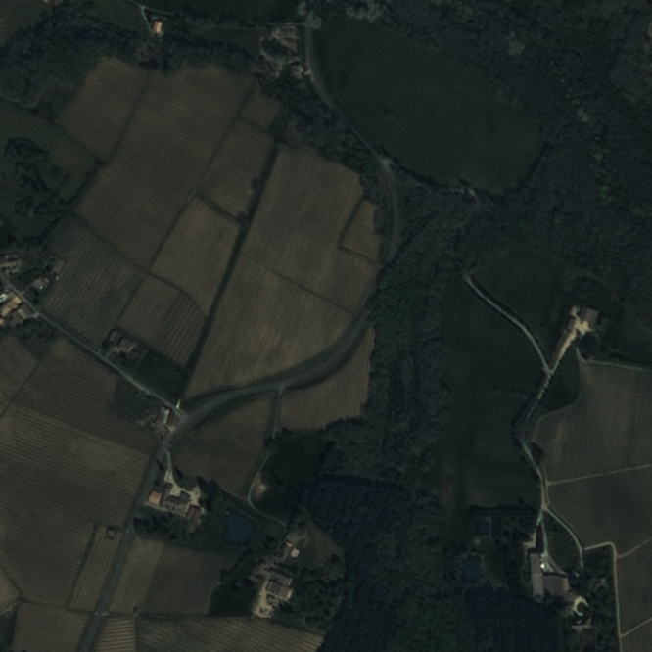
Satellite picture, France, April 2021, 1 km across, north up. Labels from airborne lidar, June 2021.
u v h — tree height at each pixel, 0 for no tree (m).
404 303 27
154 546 0
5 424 0
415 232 8
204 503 9
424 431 19
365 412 12
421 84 0
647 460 0
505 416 0
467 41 22
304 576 8
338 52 0
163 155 0
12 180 0
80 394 0
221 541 0
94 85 0
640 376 0
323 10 7
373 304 13
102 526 0
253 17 0
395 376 14
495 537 9
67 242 0
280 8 0
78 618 0
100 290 0
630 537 0
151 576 0
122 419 0
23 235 0
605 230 20
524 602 17
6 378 0
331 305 0
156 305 0
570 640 15
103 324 0
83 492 0
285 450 0
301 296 0
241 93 0
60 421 0
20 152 14
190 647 0
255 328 0
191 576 0
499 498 0
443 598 18
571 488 0
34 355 0
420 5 21
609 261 10
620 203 6
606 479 0
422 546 24
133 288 0
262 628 0
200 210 0
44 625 0
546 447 0
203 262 0
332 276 0
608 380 0
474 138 0
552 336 0
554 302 0
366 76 0
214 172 0
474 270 14
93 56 21
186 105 0
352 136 25
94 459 0
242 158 0
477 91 0
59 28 19
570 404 0
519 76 24
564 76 23
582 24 18
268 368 0
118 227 0
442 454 0
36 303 9
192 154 0
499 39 25
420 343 18
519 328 8
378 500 18
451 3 17
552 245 21
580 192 22
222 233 0
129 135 0
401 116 0
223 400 0
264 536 0
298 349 0
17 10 0
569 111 24
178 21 8
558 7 9
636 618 0
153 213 0
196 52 20
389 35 0
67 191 0
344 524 15
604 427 0
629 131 23
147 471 0
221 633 0
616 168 24
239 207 0
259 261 0
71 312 0
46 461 0
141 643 0
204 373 0
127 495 0
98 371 0
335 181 0
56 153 0
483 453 0
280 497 0
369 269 0
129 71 0
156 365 0
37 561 0
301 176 0
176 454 0
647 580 0
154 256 0
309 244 0
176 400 0
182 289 0
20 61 14
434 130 0
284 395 0
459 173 0
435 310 25
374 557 15
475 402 0
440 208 21
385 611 18
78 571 0
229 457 0
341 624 15
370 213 0
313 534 0
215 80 0
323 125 22
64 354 0
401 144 0
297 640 0
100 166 15
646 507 0
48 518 0
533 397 10
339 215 0
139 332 0
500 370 0
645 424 0
